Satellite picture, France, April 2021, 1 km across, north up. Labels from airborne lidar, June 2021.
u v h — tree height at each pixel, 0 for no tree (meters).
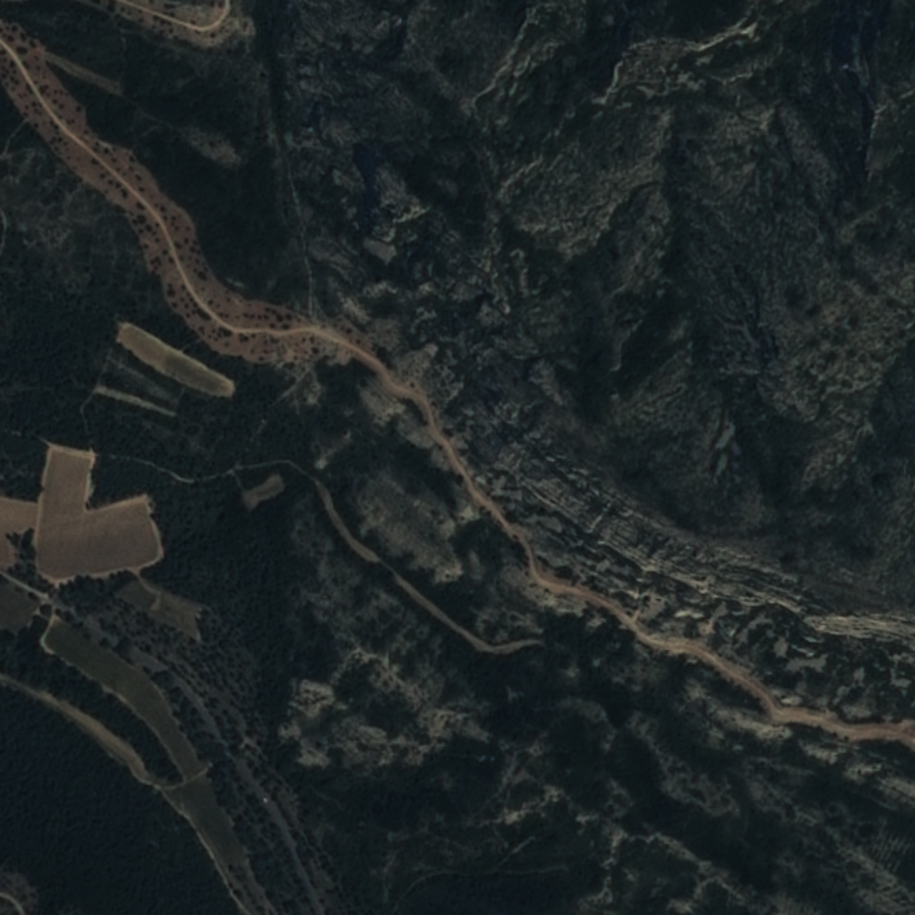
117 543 0
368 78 0
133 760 0
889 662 6
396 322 0
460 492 0
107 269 0
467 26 0
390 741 0
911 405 0
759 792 0
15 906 0
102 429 7
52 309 9
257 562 8
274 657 7
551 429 0
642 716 0
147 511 0
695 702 0
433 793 6
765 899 0
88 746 11
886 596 0
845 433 0
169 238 0
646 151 0
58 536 0
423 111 0
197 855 9
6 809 6
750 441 6
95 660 0
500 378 0
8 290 8
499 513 0
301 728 0
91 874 6
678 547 0
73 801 7
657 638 0
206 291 0
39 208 0
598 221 6
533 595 0
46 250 0
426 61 0
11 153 0
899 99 8
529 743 0
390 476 0
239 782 10
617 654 6
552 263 0
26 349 7
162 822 6
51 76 0
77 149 0
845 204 0
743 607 0
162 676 11
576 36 0
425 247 6
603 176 0
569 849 0
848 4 6
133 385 0
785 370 0
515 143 15
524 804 0
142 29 0
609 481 0
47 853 7
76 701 12
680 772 0
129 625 7
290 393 0
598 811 0
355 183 0
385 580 6
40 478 8
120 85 0
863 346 0
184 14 0
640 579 7
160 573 8
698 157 0
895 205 0
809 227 0
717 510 0
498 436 0
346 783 0
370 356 0
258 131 8
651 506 0
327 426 6
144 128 0
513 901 7
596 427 0
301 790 7
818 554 0
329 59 0
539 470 0
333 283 0
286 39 0
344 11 0
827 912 0
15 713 7
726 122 0
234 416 6
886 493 0
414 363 0
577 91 0
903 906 0
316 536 0
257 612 8
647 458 0
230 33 0
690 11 6
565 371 5
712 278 0
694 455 0
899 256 0
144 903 8
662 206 0
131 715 8
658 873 0
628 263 0
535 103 5
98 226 0
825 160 0
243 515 7
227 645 8
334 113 0
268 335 0
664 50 0
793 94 6
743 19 13
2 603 0
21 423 8
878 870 0
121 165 0
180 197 0
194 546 9
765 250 0
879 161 0
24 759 7
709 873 0
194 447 0
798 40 5
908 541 0
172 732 0
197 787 0
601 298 0
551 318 0
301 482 6
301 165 0
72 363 6
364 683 7
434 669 0
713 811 0
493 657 6
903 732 0
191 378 0
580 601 0
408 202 0
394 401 0
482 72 0
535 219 0
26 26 0
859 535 0
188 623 0
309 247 0
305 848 8
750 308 8
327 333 0
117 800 6
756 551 0
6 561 0
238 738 9
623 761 0
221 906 8
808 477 0
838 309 0
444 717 0
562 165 0
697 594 0
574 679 0
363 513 0
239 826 12
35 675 11
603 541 10
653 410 0
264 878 12
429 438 0
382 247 0
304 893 10
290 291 0
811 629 0
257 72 0
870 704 0
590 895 0
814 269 0
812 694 0
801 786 0
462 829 0
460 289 0
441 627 6
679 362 0
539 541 0
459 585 8
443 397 0
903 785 0
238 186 0
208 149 0
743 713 0
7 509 0
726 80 0
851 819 0
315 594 0
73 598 11
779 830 0
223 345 0
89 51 0
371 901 5
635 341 6
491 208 0
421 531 0
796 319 0
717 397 0
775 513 0
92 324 9
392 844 0
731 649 0
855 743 0
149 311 0
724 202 0
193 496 7
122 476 7
